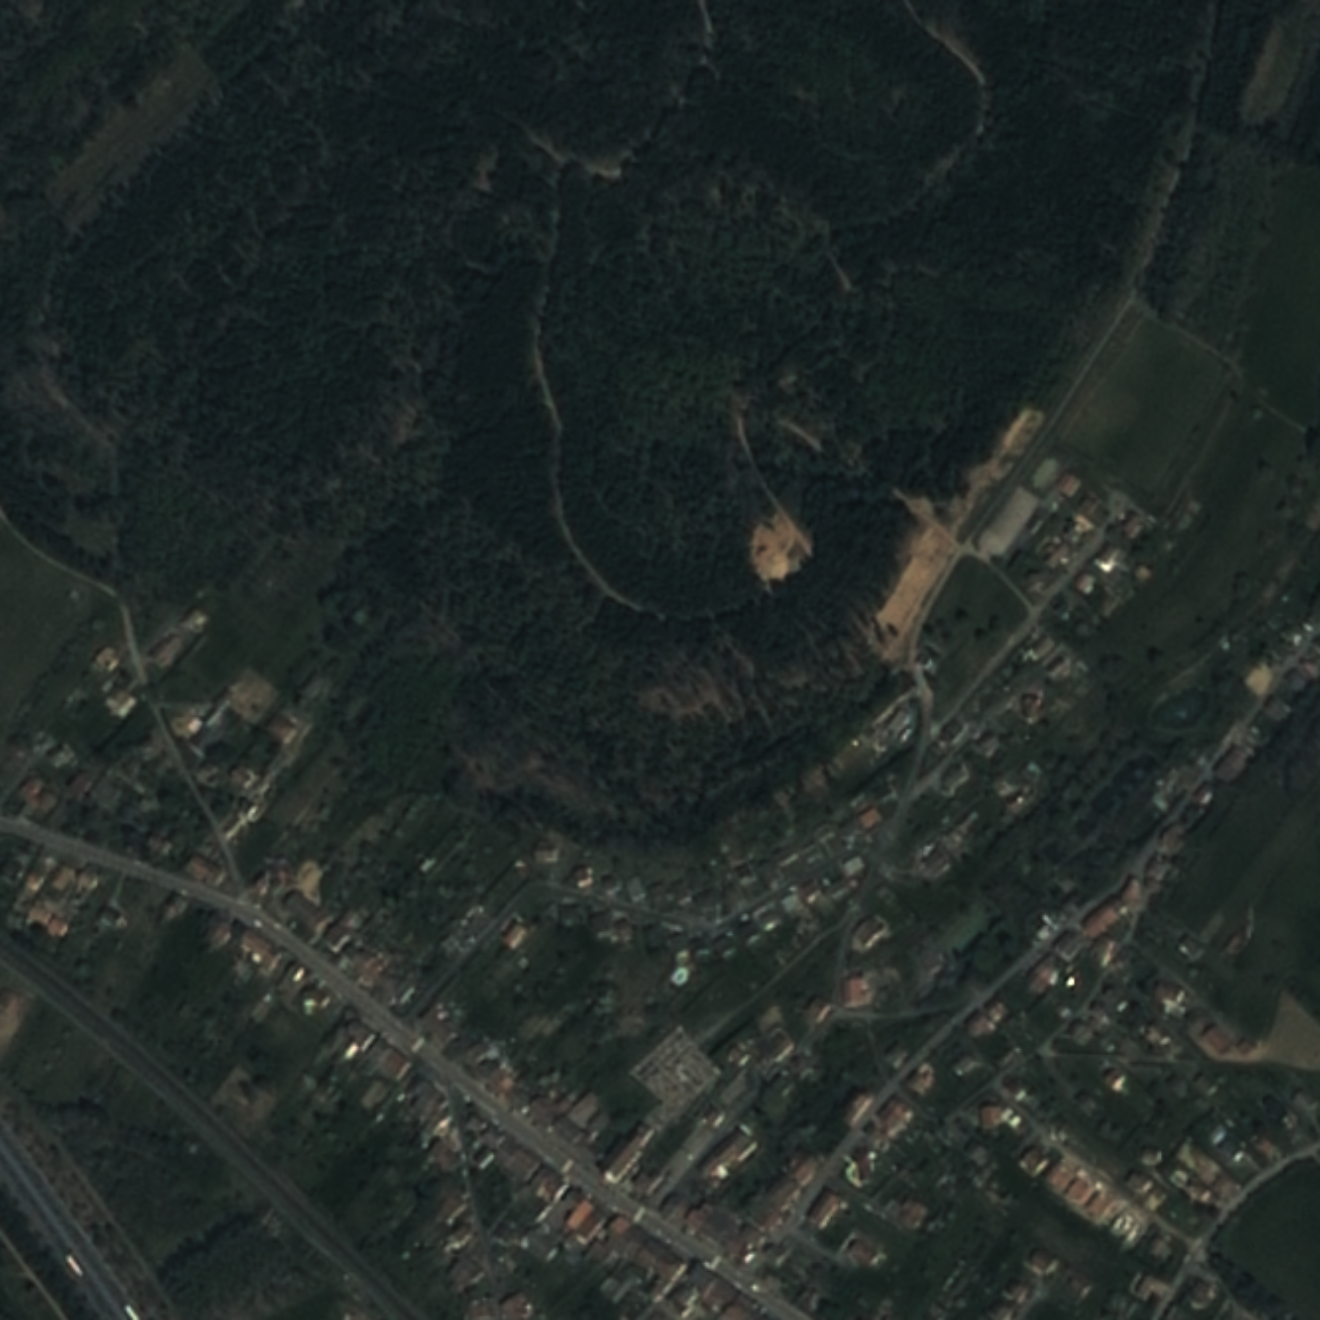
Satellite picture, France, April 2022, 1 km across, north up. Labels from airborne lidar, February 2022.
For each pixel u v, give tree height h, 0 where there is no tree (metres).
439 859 0
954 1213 6
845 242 20
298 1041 0
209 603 0
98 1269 0
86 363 9
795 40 14
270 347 12
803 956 0
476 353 21
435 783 0
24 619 0
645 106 19
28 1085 0
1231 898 0
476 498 12
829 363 15
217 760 19
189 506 14
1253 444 0
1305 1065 0
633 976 0
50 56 13
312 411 11
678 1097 0
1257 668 0
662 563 12
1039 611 0
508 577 10
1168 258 15
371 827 0
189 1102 0
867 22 13
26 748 10
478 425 18
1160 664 18
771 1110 12
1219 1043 0
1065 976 0
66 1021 0
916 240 17
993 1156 0
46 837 0
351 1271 0
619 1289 0
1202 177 16
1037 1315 0
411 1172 0
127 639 0
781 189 16
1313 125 11
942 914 0
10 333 20
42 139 14
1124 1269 0
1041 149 15
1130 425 0
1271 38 23
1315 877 0
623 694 12
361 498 9
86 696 0
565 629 11
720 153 17
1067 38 12
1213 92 16
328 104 11
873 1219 0
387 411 24
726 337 13
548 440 10
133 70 11
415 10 12
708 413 15
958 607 0
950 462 7
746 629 17
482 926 0
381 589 20
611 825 11
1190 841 0
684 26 16
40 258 12
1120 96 11
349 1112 13
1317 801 0
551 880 0
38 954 11
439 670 14
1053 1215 0
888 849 0
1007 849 13
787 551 0
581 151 15
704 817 13
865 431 9
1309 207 0
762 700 9
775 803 9
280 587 0
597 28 12
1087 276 10
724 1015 0
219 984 0
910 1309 0
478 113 14
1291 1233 0
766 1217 0
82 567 8
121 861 0
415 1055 0
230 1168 0
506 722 11
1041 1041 0
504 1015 0
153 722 0
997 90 9
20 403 26
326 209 10
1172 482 0
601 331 11
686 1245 0
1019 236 18
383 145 11
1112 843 0
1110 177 20
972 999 0
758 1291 0
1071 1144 0
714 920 0
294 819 0
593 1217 0
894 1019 0
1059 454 0
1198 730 0
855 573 20
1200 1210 7
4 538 0
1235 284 15
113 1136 7
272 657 0
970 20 20
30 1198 0
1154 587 0
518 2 17
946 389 11
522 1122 0
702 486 17
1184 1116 0
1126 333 0
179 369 9
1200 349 0
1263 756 6
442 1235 0
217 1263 24
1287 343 0
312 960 0
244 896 0
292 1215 0
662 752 6
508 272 16
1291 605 0
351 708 10
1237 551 0
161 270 12
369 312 12
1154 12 8
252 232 10
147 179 9
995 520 0
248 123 11
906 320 14
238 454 22
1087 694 0
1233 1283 17
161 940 0
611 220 11
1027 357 12
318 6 16
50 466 24
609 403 10
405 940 0
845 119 11
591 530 10
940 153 12
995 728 0
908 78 13
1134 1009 8
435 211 6
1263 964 0
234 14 17
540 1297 0
